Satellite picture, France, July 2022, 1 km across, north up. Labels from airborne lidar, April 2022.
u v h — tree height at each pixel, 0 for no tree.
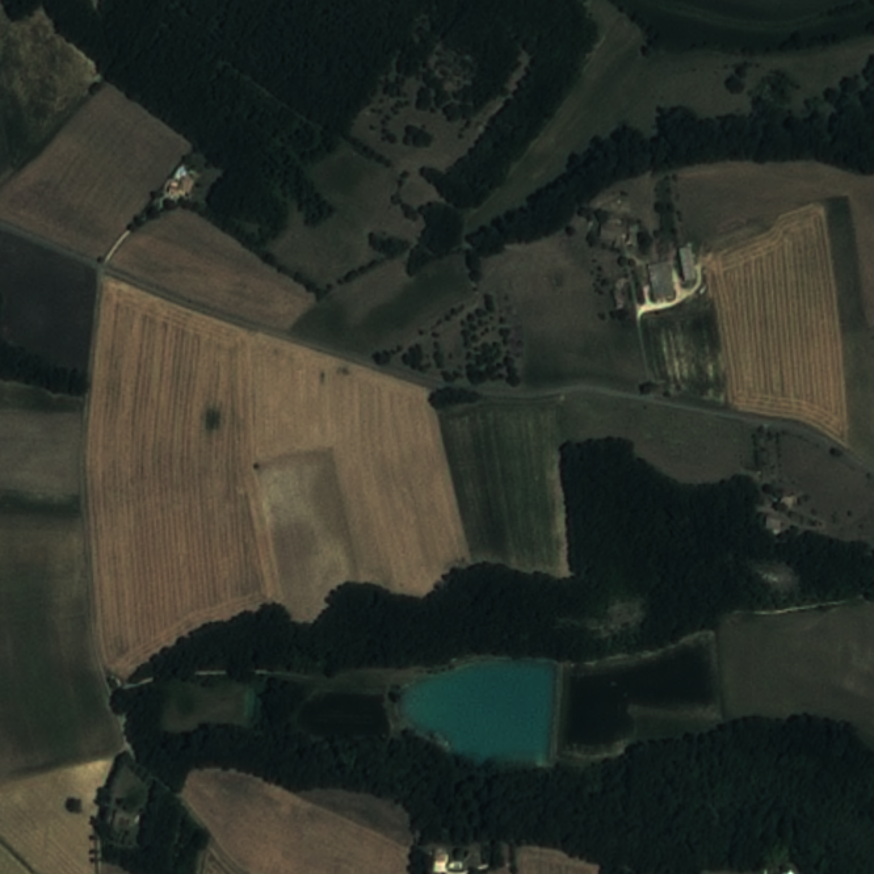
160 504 0
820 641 0
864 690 0
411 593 0
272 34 14
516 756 0
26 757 0
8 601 0
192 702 0
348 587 11
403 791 16
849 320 0
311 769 20
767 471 0
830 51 0
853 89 15
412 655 23
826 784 22
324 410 0
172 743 23
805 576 12
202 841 16
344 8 17
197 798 0
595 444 13
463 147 0
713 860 20
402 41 8
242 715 0
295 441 0
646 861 15
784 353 0
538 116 20
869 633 0
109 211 0
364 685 0
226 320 0
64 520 0
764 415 0
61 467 0
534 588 14
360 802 0
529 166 0
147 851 13
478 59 10
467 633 18
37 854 0
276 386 0
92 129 0
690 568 24
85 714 0
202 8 15
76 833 0
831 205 0
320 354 0
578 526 15
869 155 25
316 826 0
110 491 0
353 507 0
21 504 0
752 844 18
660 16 0
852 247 0
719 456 0
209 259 0
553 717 0
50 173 0
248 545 0
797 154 17
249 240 10
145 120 0
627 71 0
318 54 17
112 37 10
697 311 0
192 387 0
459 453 0
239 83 8
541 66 16
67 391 6
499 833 19
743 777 6
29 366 19
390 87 8
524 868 0
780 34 0
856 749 16
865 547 9
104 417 0
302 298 0
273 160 14
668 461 0
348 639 21
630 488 23
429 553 0
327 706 0
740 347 0
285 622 10
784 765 13
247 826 0
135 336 0
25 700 0
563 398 0
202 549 0
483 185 20
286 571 0
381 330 0
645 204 0
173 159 0
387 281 0
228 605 0
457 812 14
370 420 0
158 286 0
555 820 24
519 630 16
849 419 0
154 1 8
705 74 0
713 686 0
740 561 9
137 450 0
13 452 0
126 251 0
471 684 0
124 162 0
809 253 0
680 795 10
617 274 0
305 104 14
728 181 0
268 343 0
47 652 0
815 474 0
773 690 0
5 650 0
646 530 25
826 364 0
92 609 0
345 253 0
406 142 8
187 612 0
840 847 7
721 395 0
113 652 0
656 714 0
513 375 9
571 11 16
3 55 0
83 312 0
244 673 13
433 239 12
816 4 0
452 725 0
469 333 8
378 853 0
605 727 0
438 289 0
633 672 0
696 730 0
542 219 20
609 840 22
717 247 0
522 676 0
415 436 0
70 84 0
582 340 0
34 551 0
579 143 0
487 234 20
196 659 20
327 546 0
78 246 0
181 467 0
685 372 0
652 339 0
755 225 0
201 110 10
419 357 9
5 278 0
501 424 0
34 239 0
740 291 0
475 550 0
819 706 0
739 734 13
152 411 0
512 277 0
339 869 0
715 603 20
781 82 6
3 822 0
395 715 0
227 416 0
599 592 10
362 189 0
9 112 0
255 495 0
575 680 0
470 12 16
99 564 0
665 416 0
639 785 17
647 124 0
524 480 0
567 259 0
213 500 0
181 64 10
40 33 0
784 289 0
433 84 11
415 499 0
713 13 0
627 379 0
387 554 0
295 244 0
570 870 0
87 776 0
